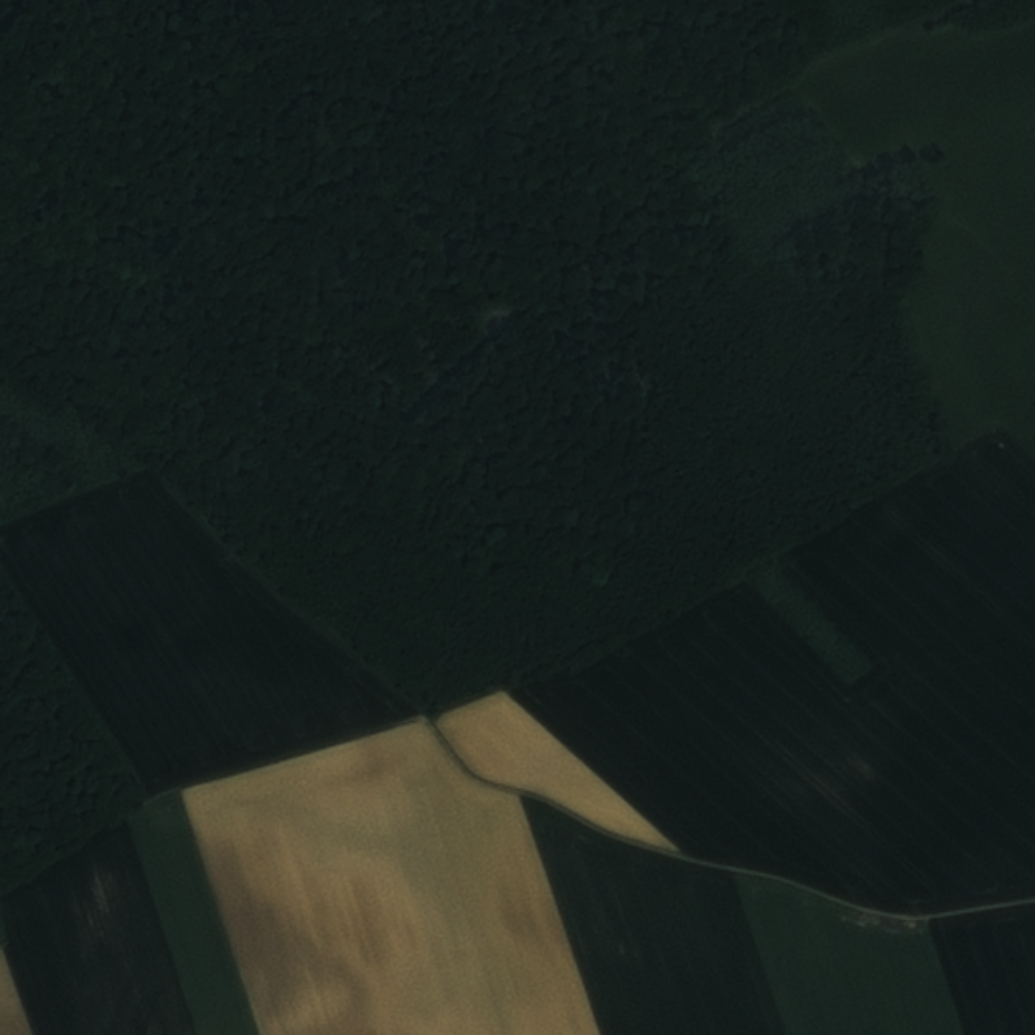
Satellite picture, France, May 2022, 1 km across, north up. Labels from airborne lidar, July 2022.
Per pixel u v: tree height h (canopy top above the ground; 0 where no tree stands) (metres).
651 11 31
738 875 0
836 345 17
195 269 30
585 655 25
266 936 0
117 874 0
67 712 29
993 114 0
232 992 0
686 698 0
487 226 28
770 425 21
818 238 31
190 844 0
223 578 0
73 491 11
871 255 32
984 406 0
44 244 29
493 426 29
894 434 21
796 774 0
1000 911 0
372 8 28
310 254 34
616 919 0
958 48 0
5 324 27
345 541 30
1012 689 0
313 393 27
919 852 0
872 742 0
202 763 0
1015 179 0
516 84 33
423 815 0
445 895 0
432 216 30
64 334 25
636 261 33
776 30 29
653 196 26
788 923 0
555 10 31
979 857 0
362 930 0
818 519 20
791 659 0
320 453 31
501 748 0
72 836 24
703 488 19
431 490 30
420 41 21
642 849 0
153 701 0
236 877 0
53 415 26
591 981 0
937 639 0
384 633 19
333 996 0
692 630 0
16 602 17
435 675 18
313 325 29
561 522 27
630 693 0
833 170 23
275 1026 0
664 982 0
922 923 0
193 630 0
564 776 0
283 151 32
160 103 29
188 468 24
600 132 30
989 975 0
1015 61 0
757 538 19
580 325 27
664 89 31
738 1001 0
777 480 20
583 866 0
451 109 28
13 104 30
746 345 18
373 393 30
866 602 0
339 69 29
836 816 0
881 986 0
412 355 10
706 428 16
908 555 0
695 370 20
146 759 0
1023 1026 0
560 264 20
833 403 18
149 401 28
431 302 30
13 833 29
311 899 0
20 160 30
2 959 0
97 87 30
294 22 30
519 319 17
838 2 21
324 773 0
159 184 29
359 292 31
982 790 0
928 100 0
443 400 29
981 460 0
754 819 0
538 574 20
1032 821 0
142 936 0
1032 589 0
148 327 32
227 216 32
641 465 16
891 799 0
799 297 18
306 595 17
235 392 30
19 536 0
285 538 17
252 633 0
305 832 0
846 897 0
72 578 0
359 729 0
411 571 18
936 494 0
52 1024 0
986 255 0
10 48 31
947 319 0
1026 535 0
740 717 0
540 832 0
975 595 0
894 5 11
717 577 20
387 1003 0
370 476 28
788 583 13
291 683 0
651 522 18
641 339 19
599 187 29
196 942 0
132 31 29
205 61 32
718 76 28
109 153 31
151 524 0
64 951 0
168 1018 0
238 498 30
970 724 0
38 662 30
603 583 20
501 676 16
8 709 28
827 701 0
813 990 0
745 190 27
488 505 31
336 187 28
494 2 18
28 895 0
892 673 0
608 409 28
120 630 0
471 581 18
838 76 0
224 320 30
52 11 34
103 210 27
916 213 23
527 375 28
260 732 0
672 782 0
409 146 22
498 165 31
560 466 29
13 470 29
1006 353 0
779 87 19
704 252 26
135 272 31
